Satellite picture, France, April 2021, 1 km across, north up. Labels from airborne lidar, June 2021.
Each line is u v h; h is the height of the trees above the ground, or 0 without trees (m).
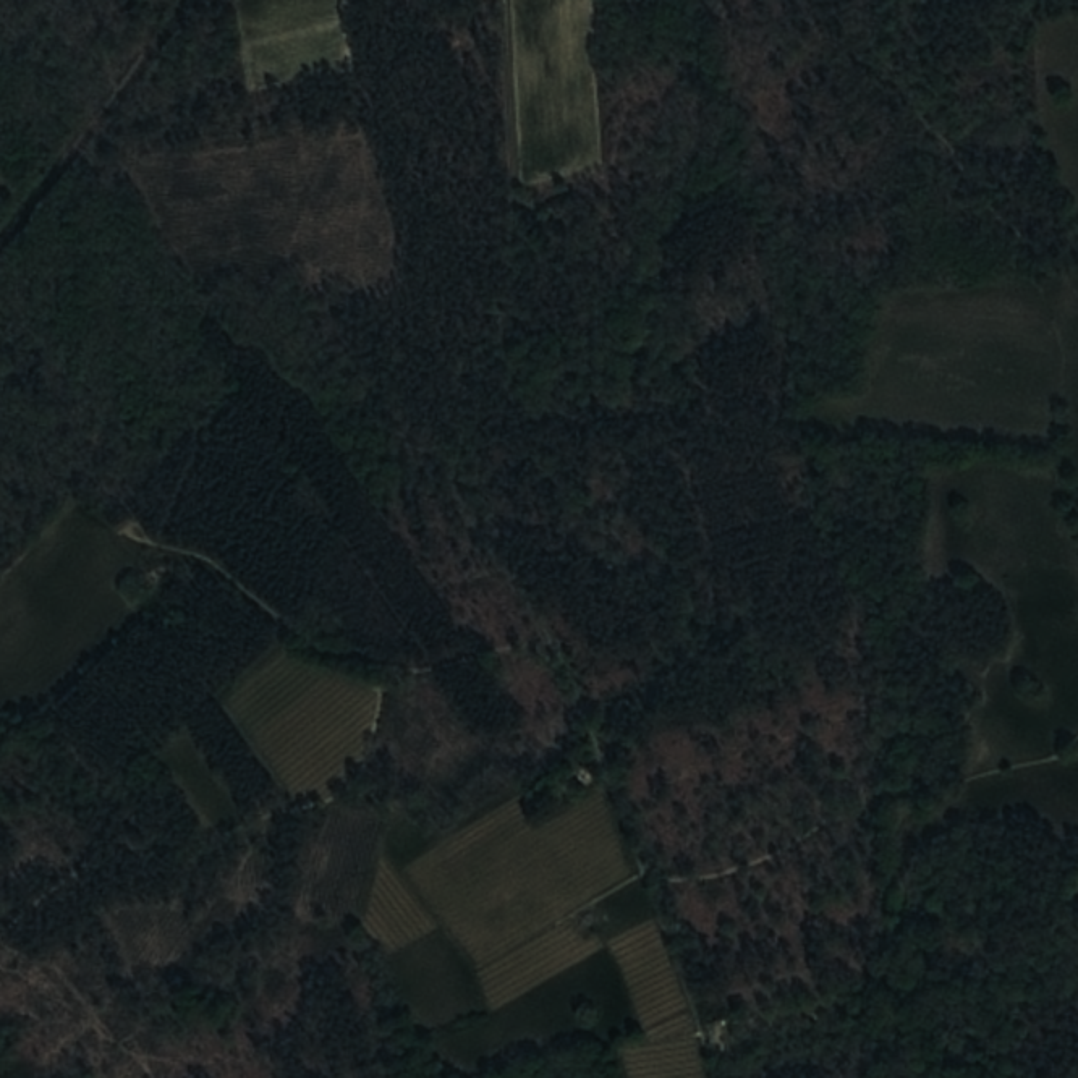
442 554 9
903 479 17
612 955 0
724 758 26
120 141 12
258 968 16
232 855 21
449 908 0
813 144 10
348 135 0
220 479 17
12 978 0
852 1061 20
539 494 24
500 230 24
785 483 20
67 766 26
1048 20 22
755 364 19
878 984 23
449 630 16
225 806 0
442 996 0
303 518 18
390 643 14
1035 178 25
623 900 0
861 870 24
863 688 16
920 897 20
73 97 17
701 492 19
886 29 12
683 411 17
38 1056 11
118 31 16
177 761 0
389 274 0
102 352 17
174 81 16
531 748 11
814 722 13
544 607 25
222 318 13
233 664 16
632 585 23
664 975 0
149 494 15
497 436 22
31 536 19
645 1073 0
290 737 0
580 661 7
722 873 21
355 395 15
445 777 0
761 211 18
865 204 18
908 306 0
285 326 22
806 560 18
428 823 18
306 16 0
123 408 19
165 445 15
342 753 0
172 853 23
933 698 19
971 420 0
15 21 20
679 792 10
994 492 0
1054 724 0
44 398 26
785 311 23
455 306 19
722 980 28
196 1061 0
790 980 0
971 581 20
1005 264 17
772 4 11
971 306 0
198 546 14
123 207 17
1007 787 0
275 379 17
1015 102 11
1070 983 23
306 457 17
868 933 12
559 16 0
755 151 12
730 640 26
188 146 20
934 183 14
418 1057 25
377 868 0
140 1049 0
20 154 20
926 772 19
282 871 0
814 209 12
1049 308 0
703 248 21
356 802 15
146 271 18
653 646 27
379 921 0
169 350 20
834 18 14
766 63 7
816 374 24
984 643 27
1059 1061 7
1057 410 14
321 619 17
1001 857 27
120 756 19
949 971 28
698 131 20
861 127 7
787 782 19
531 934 0
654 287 11
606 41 18
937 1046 27
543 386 23
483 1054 0
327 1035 23
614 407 14
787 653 25
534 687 0
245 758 16
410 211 18
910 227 14
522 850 0
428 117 24
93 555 0
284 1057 25
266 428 18
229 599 15
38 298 20
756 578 21
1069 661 0
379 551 14
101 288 23
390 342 22
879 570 26
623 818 13
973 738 15
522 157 0
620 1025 0
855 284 24
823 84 21
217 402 16
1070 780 0
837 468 23
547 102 0
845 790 14
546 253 20
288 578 17
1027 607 0
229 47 11
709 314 14
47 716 12
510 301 12
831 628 30
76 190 19
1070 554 0
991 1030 23
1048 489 0
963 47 21
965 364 0
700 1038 0
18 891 16
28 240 21
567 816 0
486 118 26
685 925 13
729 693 28
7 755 20
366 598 12
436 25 21
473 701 16
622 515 18
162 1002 24
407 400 10
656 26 24
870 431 19
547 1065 23
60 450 18
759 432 26
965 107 14
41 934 19
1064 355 0
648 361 17
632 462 20
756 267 16
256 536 17
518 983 0
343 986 21
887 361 0
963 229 15
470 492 21
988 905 23
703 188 20
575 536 13
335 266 0
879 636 30
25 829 19
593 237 19
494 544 20
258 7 0
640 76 15
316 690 0
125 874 23
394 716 0
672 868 9
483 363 20
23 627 0
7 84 19
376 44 15
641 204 26
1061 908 26
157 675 18
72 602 0
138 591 14
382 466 21
